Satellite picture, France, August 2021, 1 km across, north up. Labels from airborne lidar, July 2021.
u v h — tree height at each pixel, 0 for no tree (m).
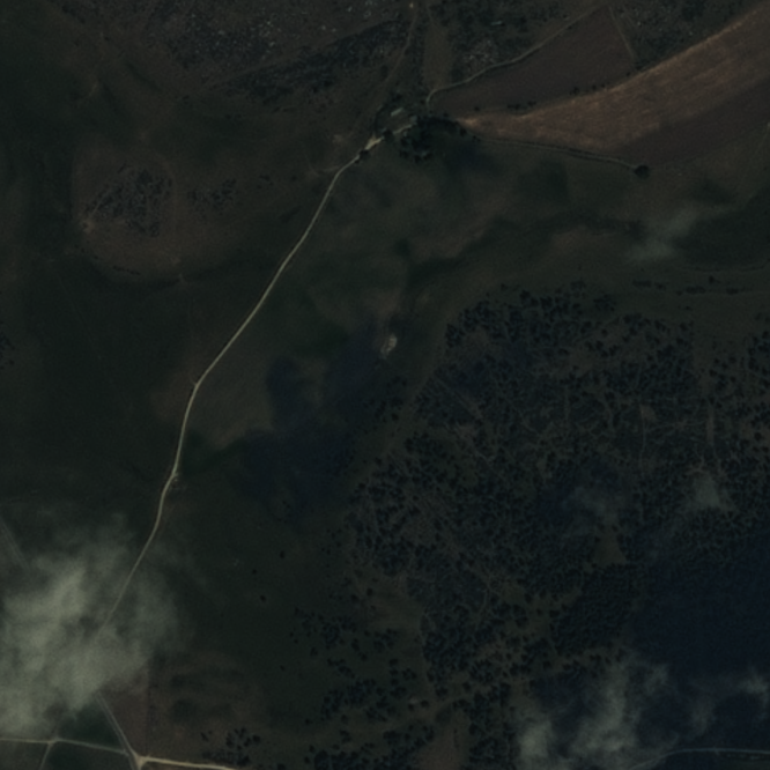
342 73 0
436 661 10
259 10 0
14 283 0
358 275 0
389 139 11
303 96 0
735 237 0
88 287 0
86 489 0
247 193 0
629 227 0
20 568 0
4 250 0
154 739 0
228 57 0
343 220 0
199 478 0
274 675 0
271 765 0
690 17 0
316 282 0
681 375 11
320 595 0
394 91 0
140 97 0
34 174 0
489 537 11
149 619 0
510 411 8
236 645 0
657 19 0
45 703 0
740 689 13
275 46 0
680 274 0
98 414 0
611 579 12
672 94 0
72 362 0
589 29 0
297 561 0
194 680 0
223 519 0
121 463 0
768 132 0
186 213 0
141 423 0
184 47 0
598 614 15
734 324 0
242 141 0
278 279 0
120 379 0
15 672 0
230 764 0
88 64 0
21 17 0
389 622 0
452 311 0
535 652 12
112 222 0
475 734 12
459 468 10
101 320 0
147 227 0
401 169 0
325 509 0
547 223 0
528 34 0
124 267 0
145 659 0
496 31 0
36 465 0
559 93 0
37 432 0
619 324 0
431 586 0
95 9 0
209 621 0
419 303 0
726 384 8
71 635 0
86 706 0
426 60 0
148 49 0
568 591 10
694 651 17
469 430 0
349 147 0
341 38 0
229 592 0
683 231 0
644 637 11
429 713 0
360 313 0
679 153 0
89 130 0
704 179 0
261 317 0
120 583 0
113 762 0
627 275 0
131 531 0
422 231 0
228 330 0
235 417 0
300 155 0
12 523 0
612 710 8
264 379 0
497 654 0
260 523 0
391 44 0
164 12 0
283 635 0
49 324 0
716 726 15
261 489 0
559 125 0
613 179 0
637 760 0
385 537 12
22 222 0
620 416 8
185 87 0
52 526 0
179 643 0
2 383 0
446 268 0
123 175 0
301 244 0
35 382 0
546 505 11
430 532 0
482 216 0
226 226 0
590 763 14
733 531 12
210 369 0
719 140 0
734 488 10
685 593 19
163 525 0
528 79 0
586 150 0
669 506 10
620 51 0
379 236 0
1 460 0
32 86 0
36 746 0
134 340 0
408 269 0
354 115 0
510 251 0
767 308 0
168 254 0
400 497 9
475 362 0
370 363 0
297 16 0
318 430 0
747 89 0
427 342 0
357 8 0
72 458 0
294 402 0
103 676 0
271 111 0
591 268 0
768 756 0
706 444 0
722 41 0
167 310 0
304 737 0
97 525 0
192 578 0
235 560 0
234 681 0
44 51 0
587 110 0
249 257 0
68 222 0
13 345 0
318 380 0
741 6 0
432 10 0
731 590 8
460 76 0
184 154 0
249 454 0
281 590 0
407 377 0
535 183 0
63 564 0
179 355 0
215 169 0
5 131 0
